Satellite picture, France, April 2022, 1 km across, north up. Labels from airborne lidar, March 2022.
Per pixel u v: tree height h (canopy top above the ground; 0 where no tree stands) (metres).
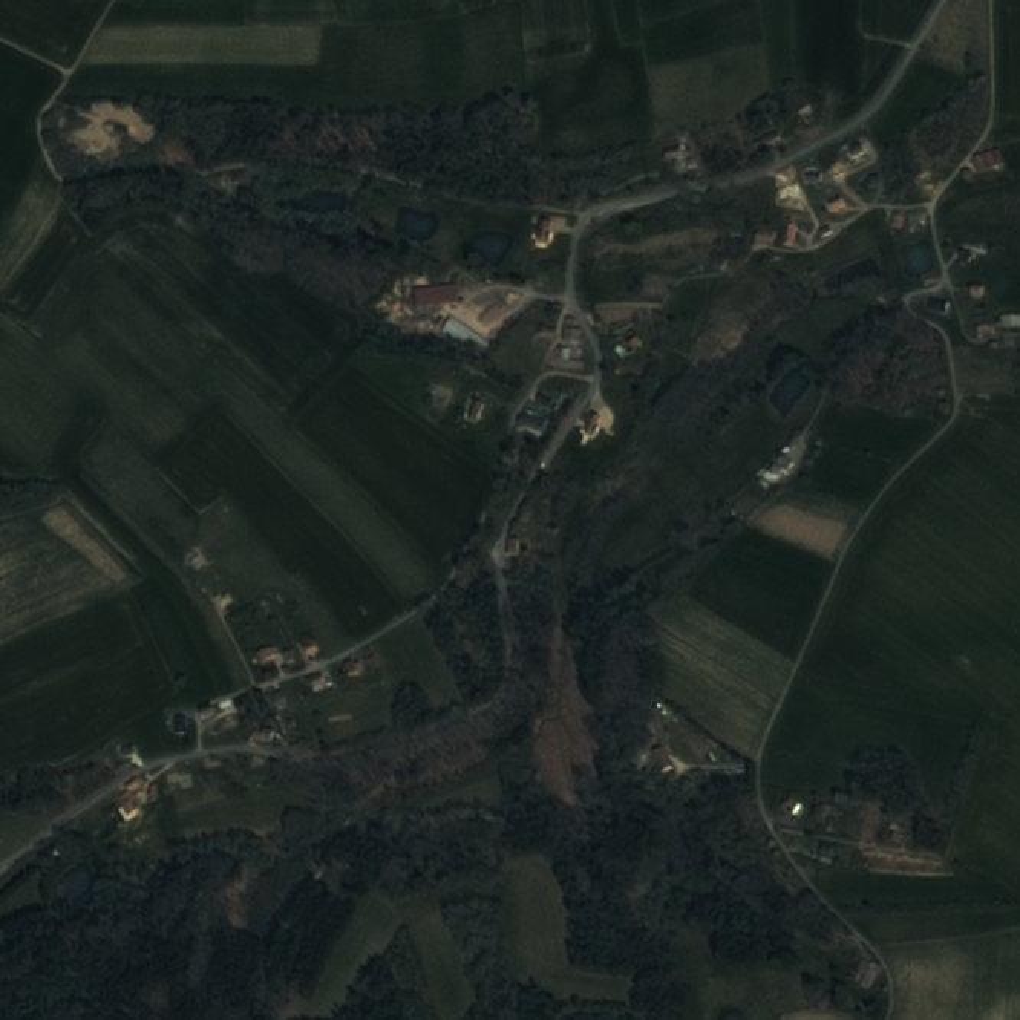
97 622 0
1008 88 0
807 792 0
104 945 8
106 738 0
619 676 20
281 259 25
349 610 0
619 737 24
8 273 0
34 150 0
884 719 0
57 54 0
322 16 0
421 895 16
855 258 0
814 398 0
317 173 15
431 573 0
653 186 15
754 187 0
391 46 0
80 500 0
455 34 0
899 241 0
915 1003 0
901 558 0
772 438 0
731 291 0
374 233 0
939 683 0
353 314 12
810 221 0
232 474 0
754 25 0
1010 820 0
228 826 0
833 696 0
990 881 0
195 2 0
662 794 8
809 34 0
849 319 0
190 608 0
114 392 0
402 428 0
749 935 29
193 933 25
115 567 0
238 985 23
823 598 0
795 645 0
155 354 0
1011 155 0
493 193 25
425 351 11
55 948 9
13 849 0
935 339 20
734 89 0
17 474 0
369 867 20
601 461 0
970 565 0
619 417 0
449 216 0
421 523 0
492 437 0
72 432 0
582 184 21
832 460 0
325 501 0
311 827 21
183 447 0
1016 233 0
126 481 0
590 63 0
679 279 0
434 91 0
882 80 0
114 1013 18
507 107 26
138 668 0
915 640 0
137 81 0
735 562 0
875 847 0
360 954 0
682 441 0
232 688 0
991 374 0
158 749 0
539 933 0
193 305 0
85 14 0
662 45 0
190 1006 17
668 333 15
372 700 0
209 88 0
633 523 0
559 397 0
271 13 0
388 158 29
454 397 0
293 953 18
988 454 0
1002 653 0
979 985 0
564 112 0
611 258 0
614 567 0
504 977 17
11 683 0
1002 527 0
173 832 0
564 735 0
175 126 20
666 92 0
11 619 0
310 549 0
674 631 0
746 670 0
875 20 0
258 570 0
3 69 0
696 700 0
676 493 0
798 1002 0
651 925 13
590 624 22
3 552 0
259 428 0
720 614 0
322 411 0
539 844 15
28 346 0
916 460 0
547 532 15
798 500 0
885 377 9
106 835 0
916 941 0
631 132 0
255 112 12
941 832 10
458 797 0
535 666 29
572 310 0
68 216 0
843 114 0
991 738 0
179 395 0
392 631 0
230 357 0
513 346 0
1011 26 0
